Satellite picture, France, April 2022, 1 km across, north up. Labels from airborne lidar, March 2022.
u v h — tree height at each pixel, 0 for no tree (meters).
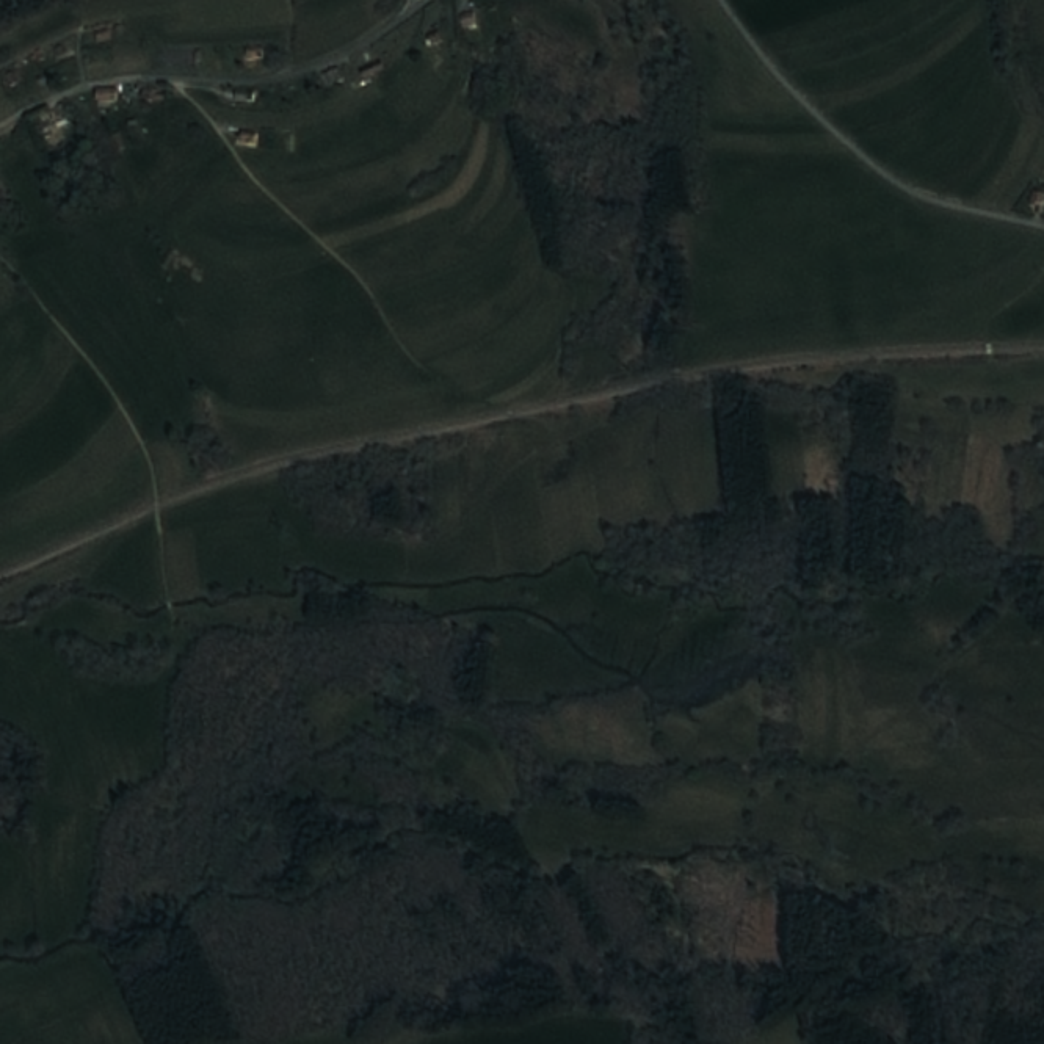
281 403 0
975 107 0
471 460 0
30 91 0
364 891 17
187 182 0
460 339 0
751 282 0
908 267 0
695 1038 15
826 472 0
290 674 15
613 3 0
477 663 22
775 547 17
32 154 0
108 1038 0
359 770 16
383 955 12
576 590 0
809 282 0
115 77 0
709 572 11
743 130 0
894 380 7
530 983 33
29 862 0
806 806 0
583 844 0
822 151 0
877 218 0
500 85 24
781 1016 24
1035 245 0
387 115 0
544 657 0
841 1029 8
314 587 16
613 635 0
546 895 14
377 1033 19
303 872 27
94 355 0
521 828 11
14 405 0
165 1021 27
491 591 0
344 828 29
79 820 0
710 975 22
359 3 0
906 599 12
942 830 15
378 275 0
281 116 0
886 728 0
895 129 0
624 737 0
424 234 0
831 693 0
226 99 0
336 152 0
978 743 0
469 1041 0
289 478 11
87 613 0
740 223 0
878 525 26
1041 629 16
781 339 0
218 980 17
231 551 0
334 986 14
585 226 19
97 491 0
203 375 0
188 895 12
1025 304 0
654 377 11
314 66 0
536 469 0
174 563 0
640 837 0
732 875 0
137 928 6
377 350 0
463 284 0
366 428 0
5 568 0
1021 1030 7
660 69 12
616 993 27
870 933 27
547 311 0
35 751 18
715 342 0
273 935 16
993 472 0
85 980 0
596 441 0
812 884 13
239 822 19
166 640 0
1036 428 10
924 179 0
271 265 0
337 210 0
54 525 0
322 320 0
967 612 0
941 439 0
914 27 0
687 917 9
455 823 19
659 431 0
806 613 15
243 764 13
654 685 0
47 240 0
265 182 0
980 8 0
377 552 0
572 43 0
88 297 0
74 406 0
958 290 0
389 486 13
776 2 0
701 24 0
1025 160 0
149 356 0
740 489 19
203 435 16
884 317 0
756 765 11
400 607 12
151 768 0
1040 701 0
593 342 7
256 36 0
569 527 0
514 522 0
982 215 0
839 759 0
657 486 0
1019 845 0
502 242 0
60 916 0
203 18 0
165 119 0
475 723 12
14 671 0
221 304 0
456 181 0
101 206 14
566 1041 0
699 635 0
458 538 0
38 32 0
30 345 0
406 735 19
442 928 13
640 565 8
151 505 0
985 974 12
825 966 32
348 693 6
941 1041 14
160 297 0
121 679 18
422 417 0
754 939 0
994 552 17
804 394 18
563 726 0
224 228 0
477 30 0
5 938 0
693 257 0
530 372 0
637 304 8
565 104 15
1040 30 0
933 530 17
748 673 0
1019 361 0
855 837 0
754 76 0
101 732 0
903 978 10
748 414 19
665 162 18
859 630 15
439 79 0
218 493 0
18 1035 0
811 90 0
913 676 0
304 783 0
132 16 0
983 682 0
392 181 0
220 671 13
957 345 0
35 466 0
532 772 12
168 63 0
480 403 0
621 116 0
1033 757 0
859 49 0
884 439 8
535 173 18
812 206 0
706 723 0
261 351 0
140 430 0
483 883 15
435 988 12
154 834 11
